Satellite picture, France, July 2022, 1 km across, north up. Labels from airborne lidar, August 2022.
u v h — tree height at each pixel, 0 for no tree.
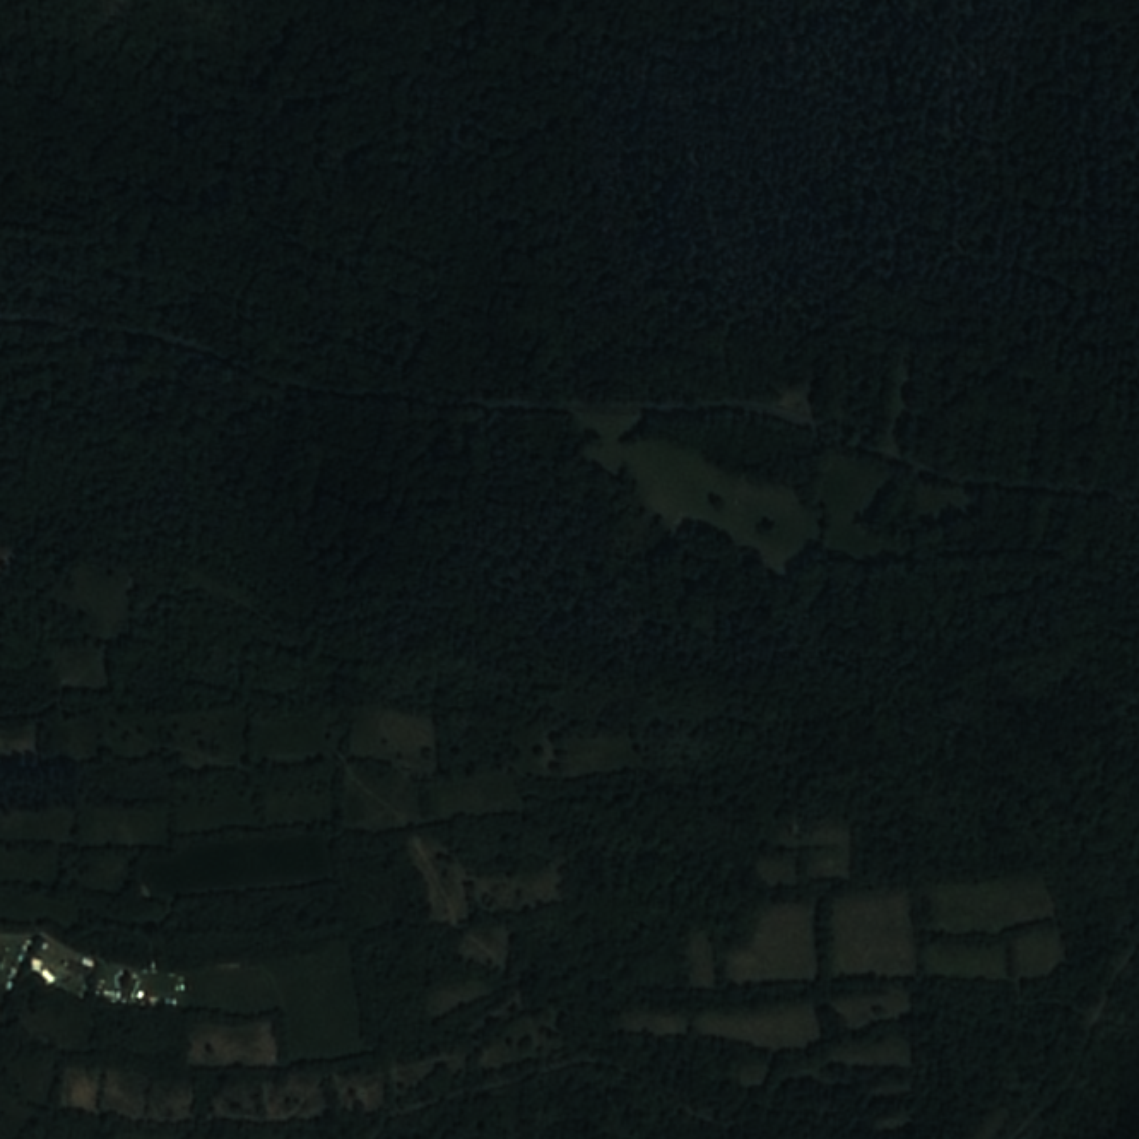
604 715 6
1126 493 12
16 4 9
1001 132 27
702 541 23
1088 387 17
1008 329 18
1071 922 6
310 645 14
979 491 13
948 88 23
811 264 26
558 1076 6
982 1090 6
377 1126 11
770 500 0
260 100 31
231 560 8
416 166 26
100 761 8
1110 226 25
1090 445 13
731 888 9
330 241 9
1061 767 8
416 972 6
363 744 0
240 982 0
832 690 13
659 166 9
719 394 7
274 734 0
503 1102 6
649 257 24
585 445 12
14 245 8
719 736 9
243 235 18
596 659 16
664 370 19
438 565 15
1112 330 21
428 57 24
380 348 13
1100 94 26
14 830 0
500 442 7
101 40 9
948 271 17
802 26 16
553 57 21
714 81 30
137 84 18
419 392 10
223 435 17
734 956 0
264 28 24
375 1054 6
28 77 24
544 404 15
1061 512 7
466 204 18
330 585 21
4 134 22
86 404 9
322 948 6
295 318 10
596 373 19
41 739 8
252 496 20
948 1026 9
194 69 25
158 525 11
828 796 8
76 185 20
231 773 6
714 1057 7
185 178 25
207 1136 8
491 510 9
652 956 7
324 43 24
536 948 7
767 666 10
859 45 37
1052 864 6
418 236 11
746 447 13
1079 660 6
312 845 0
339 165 21
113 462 15
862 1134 15
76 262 22
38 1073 0
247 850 0
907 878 7
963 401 21
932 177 14
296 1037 0
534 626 17
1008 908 0
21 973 9
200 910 7
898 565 20
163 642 8
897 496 16
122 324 18
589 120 23
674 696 6
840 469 0
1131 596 16
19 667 5
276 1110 0
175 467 12
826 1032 8
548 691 9
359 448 19
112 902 7
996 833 11
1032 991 8
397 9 27
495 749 6
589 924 5
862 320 18
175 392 18
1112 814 11
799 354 17
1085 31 20
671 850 7
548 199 24
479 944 0
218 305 20
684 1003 10
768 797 9
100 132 24
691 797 7
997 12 29
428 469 24
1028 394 19
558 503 23
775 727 9
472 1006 5
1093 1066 6
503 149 26
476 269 22
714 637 9
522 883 0
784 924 0
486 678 7
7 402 6
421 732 0
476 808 0
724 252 21
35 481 14
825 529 14
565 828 12
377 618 13
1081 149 19
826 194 29
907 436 20
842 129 6
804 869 7
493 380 14
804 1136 9
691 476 0
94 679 0
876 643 20
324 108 23
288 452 19
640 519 6
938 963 0
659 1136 9
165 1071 6
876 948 0
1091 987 6
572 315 19
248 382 21
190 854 0
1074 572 17
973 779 12
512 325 21
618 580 24
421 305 23
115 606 0
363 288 20
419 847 0
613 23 28
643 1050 9
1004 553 17
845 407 9
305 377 16
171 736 8
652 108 23
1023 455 14
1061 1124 9
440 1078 9
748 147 21
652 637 23
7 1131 0
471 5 20
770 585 23
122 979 10
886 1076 10
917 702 9
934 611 18
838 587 17
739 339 12
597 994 11
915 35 28
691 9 21
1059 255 18
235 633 10
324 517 28
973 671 10
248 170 28
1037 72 23
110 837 0
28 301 19
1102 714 6
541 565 25
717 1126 6
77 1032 0
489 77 25
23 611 12
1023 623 11
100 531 11
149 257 25
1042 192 20
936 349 19
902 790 8
